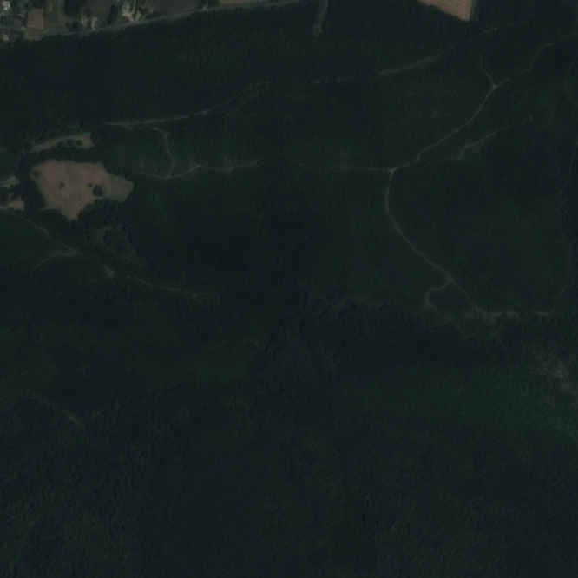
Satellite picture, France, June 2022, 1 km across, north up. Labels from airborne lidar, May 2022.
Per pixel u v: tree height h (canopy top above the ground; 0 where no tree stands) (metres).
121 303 15
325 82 13
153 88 8
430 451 16
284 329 22
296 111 8
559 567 6
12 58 11
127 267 9
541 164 6
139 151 7
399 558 13
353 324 24
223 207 8
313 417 20
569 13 7
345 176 6
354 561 9
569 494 13
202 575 14
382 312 27
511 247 8
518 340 15
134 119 8
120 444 27
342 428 13
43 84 9
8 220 6
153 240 12
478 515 16
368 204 9
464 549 17
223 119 8
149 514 23
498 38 6
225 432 18
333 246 7
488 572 15
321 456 11
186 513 16
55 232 8
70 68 9
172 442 20
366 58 11
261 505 18
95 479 25
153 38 9
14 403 18
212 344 14
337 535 12
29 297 18
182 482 14
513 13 10
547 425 9
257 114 8
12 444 16
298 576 15
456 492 15
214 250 10
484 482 17
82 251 7
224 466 18
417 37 11
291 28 8
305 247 12
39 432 16
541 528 14
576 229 10
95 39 13
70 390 11
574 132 7
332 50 10
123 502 19
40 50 8
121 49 8
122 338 15
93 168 0
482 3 9
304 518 18
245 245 11
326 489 15
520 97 7
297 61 11
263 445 24
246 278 14
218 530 18
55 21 0
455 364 10
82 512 19
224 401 25
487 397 10
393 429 15
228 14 7
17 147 6
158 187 9
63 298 18
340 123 9
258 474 17
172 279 8
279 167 11
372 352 20
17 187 14
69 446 14
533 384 8
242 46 11
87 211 6
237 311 8
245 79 13
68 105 8
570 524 18
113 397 8
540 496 16
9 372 16
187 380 13
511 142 6
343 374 18
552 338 12
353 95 9
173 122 7
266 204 10
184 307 22
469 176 6
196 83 10
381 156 6
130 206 15
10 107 12
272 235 11
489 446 12
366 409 10
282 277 7
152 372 16
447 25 7
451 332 25
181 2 0
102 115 11
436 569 20
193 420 26
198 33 9
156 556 10
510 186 8
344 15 10
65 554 21
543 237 5
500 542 14
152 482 15
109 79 7
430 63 6
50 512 17
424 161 10
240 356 14
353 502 11
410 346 21
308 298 27
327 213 8
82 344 15
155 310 16
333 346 23
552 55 8
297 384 20
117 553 22
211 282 11
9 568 24
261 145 8
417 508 21
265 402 24
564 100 6
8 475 14
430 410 12
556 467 17
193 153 7
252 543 20
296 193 7
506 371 7
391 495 16
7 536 17
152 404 23
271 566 16
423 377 13
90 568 20
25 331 11
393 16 15
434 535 16
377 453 17
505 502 10
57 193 0
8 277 22
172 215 7
